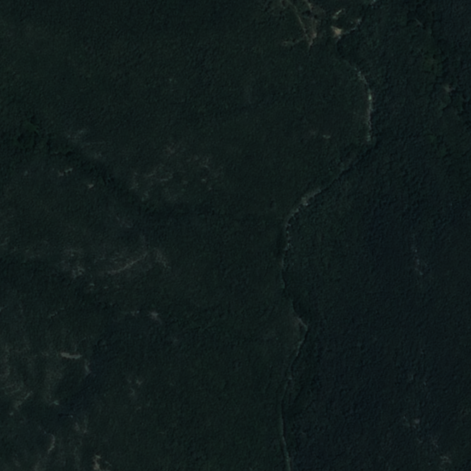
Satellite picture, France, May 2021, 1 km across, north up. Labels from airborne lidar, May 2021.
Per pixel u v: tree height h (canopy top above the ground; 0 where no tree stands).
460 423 11
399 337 8
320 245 7
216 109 11
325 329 15
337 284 16
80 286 7
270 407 13
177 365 8
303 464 17
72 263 7
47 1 12
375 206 12
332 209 8
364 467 14
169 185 8
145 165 7
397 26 12
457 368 15
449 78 22
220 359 15
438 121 18
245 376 15
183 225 8
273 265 8
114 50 10
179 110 6
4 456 7
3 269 7
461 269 10
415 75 15
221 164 8
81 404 6
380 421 11
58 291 10
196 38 8
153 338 11
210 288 9
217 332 8
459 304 10
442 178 7
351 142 8
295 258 6
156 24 9
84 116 6
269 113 8
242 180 10
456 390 8
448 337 13
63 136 6
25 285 11
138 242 6
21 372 7
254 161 9
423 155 8
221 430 15
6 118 7
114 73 10
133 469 7
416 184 15
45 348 6
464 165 22
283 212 7
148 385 8
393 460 11
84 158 7
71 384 12
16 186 6
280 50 7
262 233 14
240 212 15
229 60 8
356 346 11
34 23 6
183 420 15
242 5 10
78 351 7
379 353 9
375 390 9
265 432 5
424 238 9
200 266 7
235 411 17
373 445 13
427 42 16
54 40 9
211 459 16
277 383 9
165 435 7
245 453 12
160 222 12
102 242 6
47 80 7
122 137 6
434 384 8
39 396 6
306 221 8
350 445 11
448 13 6
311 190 11
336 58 17
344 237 16
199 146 6
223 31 9
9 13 7
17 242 8
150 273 11
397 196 16
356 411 10
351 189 9
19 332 7
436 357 7
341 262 19
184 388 8
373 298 14
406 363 9
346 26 7
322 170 10
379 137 19
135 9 16
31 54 9
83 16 13
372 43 9
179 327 17
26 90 8
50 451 7
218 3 13
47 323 8
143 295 10
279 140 8
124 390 8
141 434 8
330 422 19
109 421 9
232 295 10
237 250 10
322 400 16
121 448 6
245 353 12
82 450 6
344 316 15
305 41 8
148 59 8
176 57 7
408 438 6
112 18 11
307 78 12
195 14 11
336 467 14
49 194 9
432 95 13
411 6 24
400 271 10
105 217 7
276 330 7
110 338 10
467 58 11
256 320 13
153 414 8
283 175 8
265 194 13
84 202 10
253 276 11
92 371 6
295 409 16
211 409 16
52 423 6
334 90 14
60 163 6
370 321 11
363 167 21
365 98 10
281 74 8
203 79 14
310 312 14
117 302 10
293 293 13
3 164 8
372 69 6
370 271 9
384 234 12
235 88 8
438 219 12
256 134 7
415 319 8
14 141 17
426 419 7
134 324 5
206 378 15
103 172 23
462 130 19
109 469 7
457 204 15
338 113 11
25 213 7
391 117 17
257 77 10
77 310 9
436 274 6
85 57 7
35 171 7
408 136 12
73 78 6
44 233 9
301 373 14
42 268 9
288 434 14
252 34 9
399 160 10
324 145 13
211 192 9
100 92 9
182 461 9
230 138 7
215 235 11
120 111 6
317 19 20
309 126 11
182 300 10
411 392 7
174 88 7
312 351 13
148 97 10
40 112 7
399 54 9
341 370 12
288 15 7
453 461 6
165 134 6
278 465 16
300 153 11
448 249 8
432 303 12
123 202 11
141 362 8
